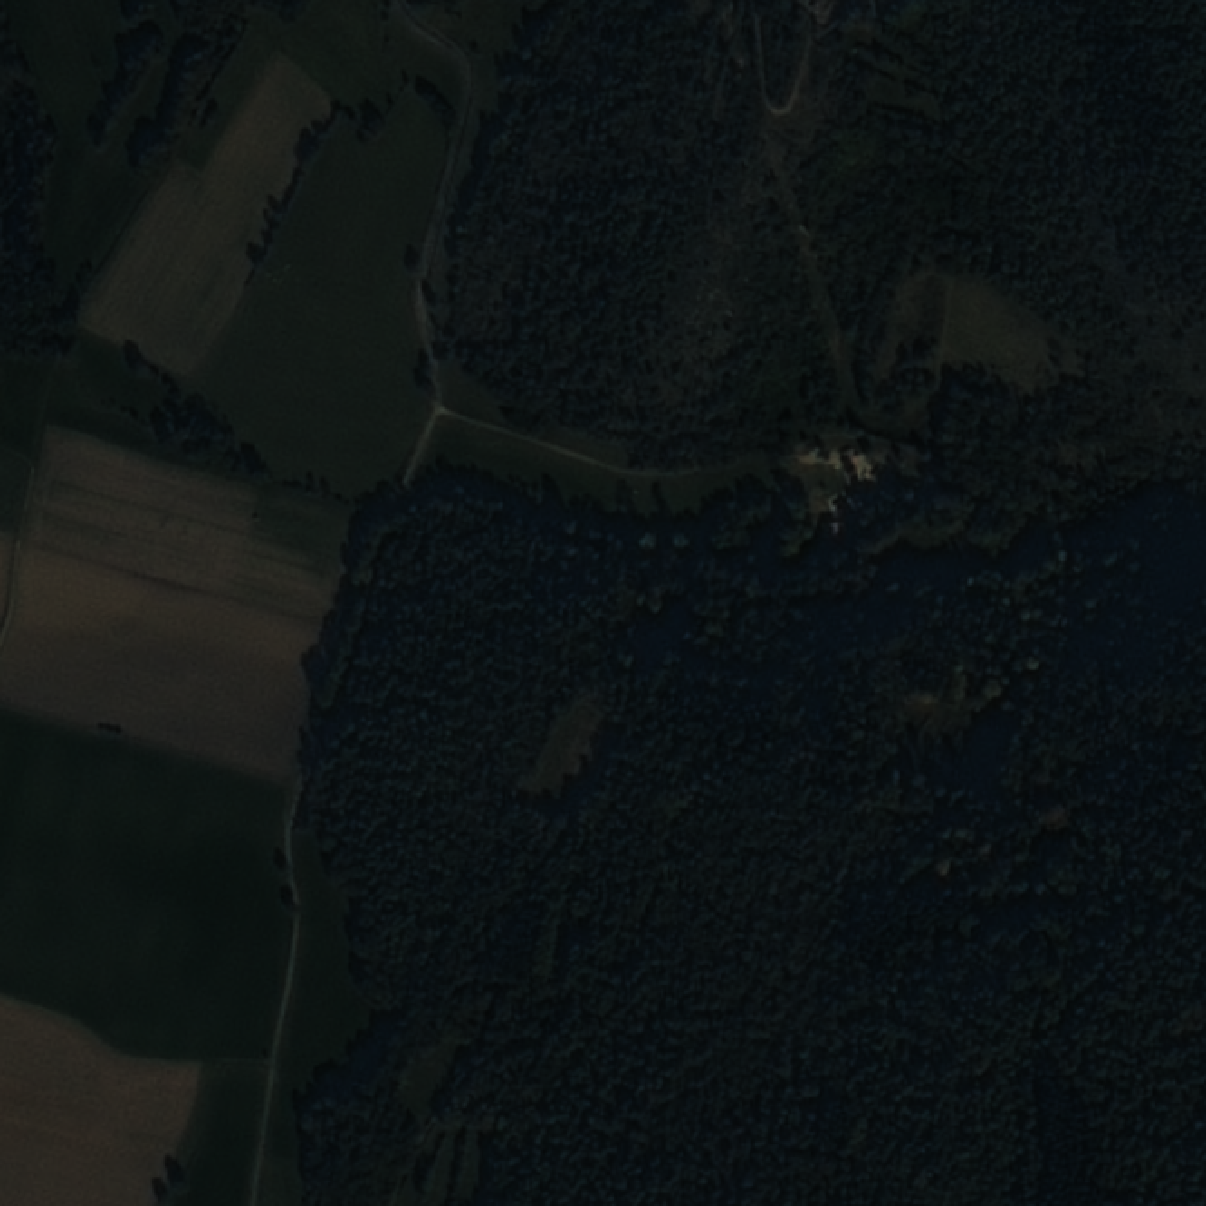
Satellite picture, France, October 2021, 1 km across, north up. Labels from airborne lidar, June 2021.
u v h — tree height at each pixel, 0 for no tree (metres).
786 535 27
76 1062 0
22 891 0
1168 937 13
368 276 0
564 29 10
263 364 0
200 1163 0
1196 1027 21
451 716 13
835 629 15
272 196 0
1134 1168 14
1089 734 19
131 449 0
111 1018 0
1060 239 6
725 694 21
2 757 0
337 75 0
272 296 0
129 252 0
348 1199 11
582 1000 14
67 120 0
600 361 15
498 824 14
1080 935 23
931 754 0
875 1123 20
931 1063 6
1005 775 28
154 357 0
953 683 23
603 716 19
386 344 0
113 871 0
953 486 16
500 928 13
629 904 15
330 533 0
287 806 0
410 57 0
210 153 0
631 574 20
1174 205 20
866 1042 18
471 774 7
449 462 0
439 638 15
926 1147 10
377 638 10
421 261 8
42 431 0
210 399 0
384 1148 20
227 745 0
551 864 17
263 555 0
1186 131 22
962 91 12
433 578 11
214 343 0
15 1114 0
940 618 16
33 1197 0
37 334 18
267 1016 0
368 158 0
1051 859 29
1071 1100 24
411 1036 20
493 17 0
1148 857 17
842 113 7
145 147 17
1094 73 20
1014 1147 27
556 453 0
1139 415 11
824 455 14
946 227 7
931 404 0
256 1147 0
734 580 27
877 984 24
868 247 13
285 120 0
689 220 8
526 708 7
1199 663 17
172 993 0
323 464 0
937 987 20
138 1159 0
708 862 15
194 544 0
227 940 0
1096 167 15
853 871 17
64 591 0
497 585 9
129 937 0
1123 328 10
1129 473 21
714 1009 8
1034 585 25
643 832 17
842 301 12
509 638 11
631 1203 11
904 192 14
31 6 0
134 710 0
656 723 11
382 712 11
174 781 0
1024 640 18
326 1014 0
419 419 0
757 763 17
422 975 17
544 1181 15
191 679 0
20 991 0
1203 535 20
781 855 7
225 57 9
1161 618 11
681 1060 11
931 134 19
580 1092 10
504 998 15
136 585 0
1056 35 20
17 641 0
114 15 0
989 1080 15
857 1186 20
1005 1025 17
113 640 0
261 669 0
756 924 12
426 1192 9
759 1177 6
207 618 0
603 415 15
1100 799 25
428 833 16
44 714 0
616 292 6
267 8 14
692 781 22
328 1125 13
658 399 8
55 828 0
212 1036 0
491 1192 14
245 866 0
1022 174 19
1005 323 0
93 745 0
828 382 9
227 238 0
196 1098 0
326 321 0
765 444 16
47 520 0
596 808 16
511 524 20
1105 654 17
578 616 19
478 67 0
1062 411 17
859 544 28
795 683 17
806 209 11
